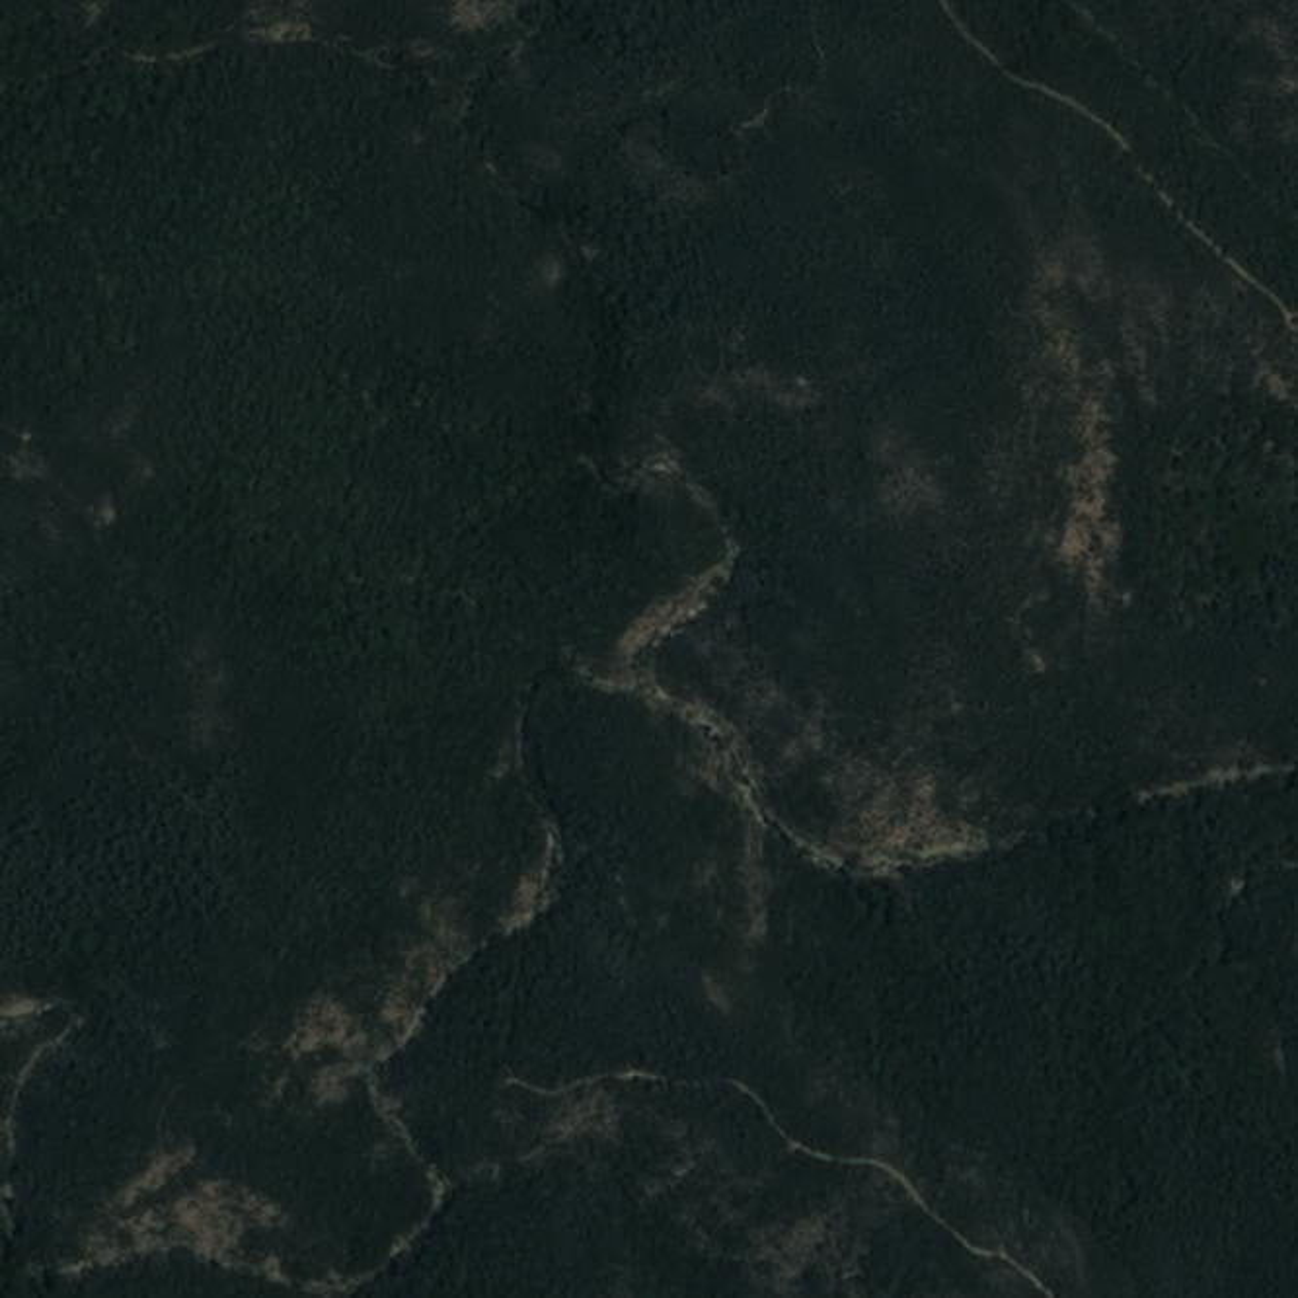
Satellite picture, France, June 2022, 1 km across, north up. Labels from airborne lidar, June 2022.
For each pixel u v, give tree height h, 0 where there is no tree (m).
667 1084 12
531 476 13
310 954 7
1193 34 9
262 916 9
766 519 9
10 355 9
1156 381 7
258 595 6
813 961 6
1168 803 14
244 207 11
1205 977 18
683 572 6
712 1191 6
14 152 12
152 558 6
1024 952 14
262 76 10
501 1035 11
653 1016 9
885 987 8
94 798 13
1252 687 6
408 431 7
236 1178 7
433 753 8
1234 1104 8
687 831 7
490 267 9
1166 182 10
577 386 9
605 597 12
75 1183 6
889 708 7
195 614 8
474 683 8
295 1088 9
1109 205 8
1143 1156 7
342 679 10
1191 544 8
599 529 11
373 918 10
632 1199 8
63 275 6
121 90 8
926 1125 6
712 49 7
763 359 8
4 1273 23
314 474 12
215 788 13
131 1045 7
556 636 8
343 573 14
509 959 11
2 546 7
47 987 6
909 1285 6
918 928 13
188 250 8
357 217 8
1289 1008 9
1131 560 14
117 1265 10
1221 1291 6
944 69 7
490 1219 7
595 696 8
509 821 8
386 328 11
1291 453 16
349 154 13
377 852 9
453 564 6
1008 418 7
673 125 8
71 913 16
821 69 7
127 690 7
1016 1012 8
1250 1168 8
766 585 7
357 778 9
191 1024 6
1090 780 10
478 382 8
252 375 8
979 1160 6
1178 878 12
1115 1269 7
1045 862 10
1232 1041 9
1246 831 13
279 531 8
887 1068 12
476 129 12
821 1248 7
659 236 14
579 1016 6
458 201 11
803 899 8
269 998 8
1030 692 9
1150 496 17
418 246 8
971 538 7
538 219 8
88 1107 6
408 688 12
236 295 10
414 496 10
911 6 8
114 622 6
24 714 6
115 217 9
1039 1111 7
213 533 12
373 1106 7
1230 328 7
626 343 6
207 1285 9
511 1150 8
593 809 10
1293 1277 9
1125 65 6
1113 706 8
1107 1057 6
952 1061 6
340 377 14
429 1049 6
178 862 14
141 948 6
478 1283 7
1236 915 9
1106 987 15
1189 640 8
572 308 9
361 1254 12
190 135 9
